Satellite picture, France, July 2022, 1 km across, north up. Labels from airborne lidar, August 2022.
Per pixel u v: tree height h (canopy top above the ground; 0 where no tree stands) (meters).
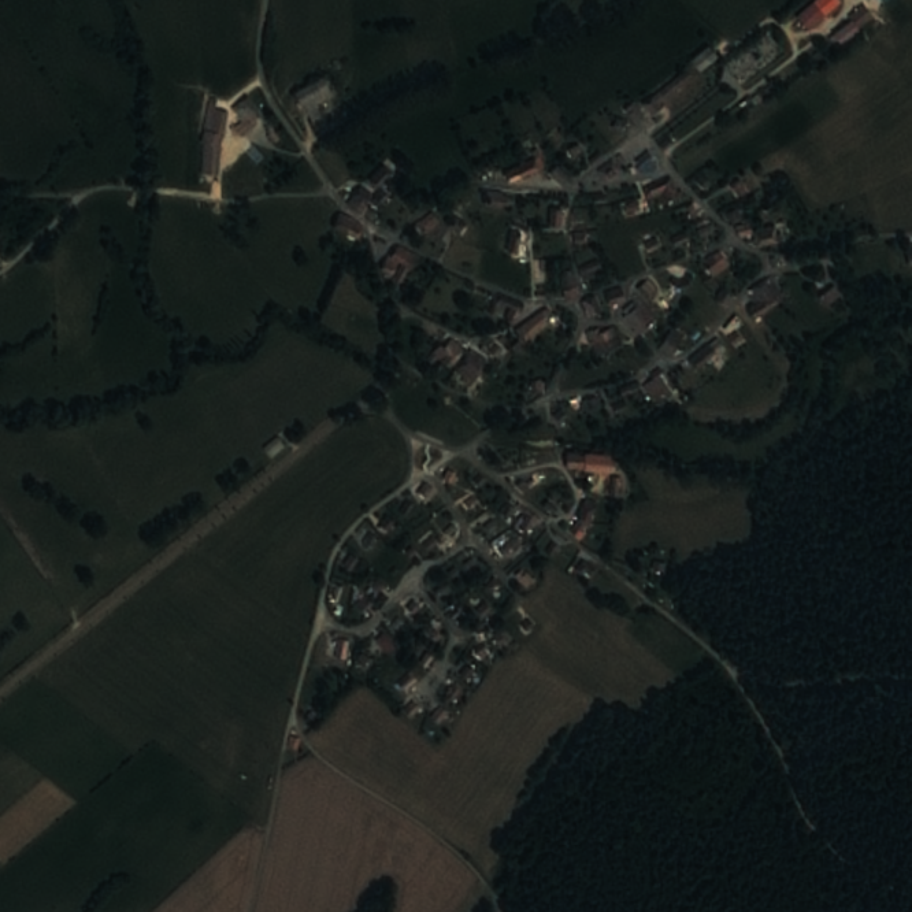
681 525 0
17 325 0
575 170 7
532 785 9
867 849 23
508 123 8
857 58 0
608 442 23
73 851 0
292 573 0
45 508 0
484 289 8
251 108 0
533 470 0
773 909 11
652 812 11
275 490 0
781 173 8
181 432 0
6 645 18
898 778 21
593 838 14
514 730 0
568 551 0
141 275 18
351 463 0
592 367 7
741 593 28
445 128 0
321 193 0
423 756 0
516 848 16
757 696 25
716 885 12
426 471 0
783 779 6
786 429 0
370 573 8
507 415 17
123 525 0
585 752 24
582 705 0
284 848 0
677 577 17
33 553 0
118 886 8
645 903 13
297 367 0
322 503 0
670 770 8
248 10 0
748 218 9
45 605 0
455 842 0
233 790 0
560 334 8
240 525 0
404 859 0
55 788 0
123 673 0
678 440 0
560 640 0
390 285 12
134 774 0
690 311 10
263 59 9
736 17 0
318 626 0
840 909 10
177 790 0
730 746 6
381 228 0
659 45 0
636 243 0
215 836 0
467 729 0
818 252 23
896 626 23
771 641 31
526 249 0
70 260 0
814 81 0
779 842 12
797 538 29
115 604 0
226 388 0
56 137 0
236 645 0
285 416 0
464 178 21
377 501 0
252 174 0
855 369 0
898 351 22
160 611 0
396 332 17
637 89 0
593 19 31
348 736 0
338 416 13
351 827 0
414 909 0
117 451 0
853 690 22
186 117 0
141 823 0
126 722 0
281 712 0
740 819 11
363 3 0
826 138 0
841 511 24
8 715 0
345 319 0
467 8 0
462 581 7
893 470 27
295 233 0
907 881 20
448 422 0
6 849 0
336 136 24
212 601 0
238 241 21
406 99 33
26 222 8
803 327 0
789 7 11
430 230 0
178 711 0
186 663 0
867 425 9
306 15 0
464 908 0
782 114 0
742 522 0
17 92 0
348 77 0
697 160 0
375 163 7
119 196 0
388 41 0
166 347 0
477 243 0
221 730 0
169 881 0
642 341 12
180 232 0
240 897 0
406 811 0
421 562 7
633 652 0
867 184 0
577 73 0
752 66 0
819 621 33
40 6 0
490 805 0
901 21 0
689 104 0
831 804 27
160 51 0
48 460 0
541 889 18
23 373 0
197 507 21
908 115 0
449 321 11
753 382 0
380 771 0
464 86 0
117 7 6
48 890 0
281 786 0
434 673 0
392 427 0
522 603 0
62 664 0
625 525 0
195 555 0
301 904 0
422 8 0
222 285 0
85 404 21
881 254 0
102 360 0
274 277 0
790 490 23
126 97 0
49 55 0
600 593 15
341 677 16
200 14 0
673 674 0
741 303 0
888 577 29
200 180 0
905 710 27
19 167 0
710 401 0
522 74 0
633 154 0
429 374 19
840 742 26
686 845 12
